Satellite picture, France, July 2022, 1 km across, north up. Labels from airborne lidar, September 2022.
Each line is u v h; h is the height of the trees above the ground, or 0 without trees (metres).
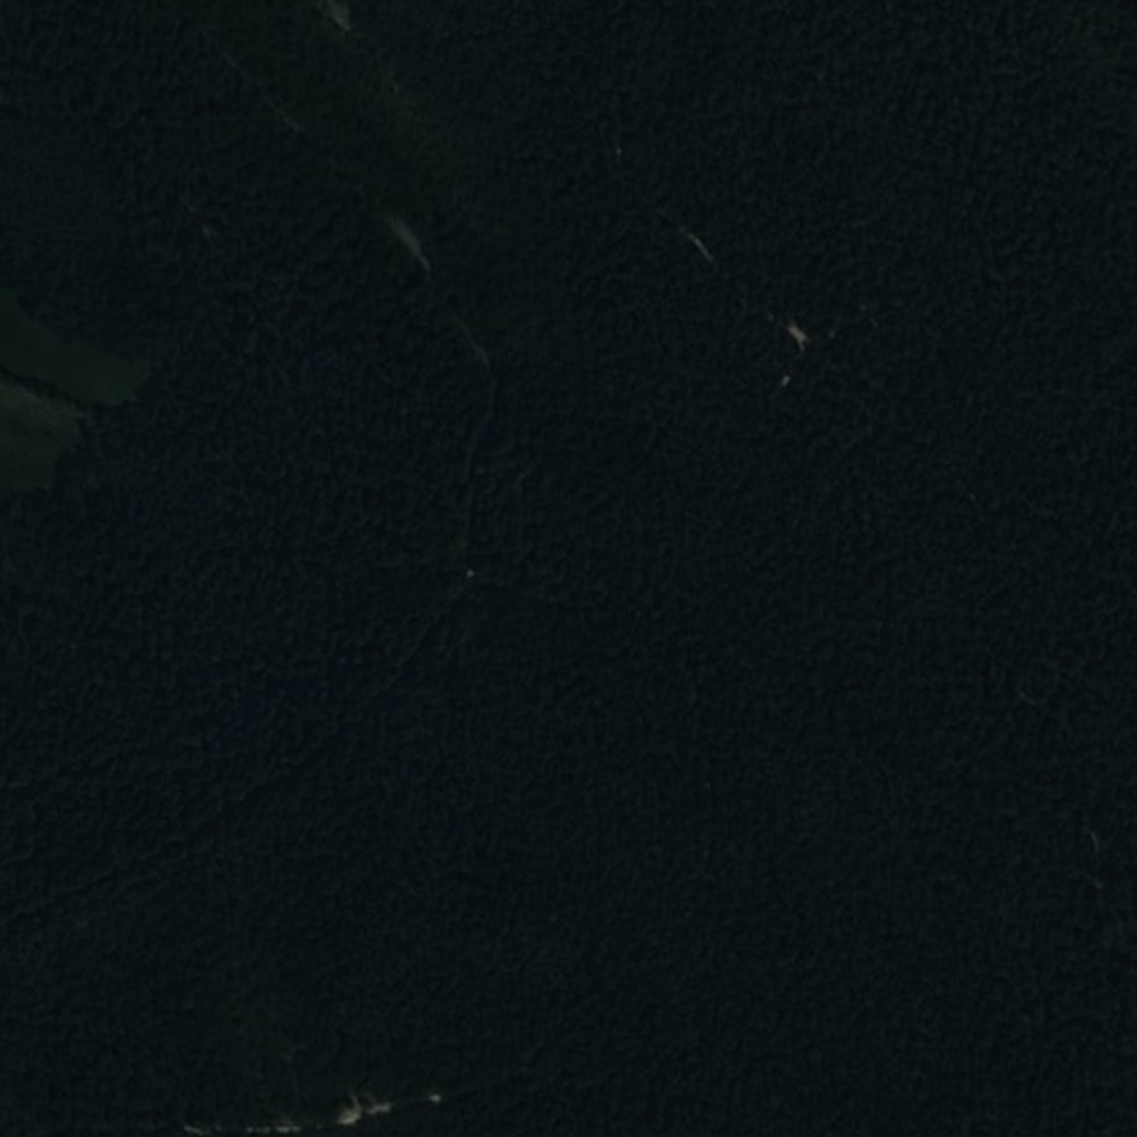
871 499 29
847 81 17
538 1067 19
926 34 24
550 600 23
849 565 22
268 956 18
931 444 22
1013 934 20
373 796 23
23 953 6
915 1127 26
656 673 27
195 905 17
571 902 24
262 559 35
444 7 18
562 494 17
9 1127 14
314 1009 16
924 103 22
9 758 25
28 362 0
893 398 18
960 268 18
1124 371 19
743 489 22
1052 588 21
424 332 12
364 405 29
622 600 21
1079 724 23
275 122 22
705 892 23
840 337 11
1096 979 22
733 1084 24
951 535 29
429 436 29
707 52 19
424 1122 14
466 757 28
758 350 24
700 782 24
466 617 22
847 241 19
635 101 25
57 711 29
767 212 20
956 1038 24
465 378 25
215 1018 14
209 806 27
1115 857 27
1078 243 22
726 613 14
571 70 27
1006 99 23
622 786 22
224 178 24
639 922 28
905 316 22
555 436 20
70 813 31
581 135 26
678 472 19
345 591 33
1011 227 21
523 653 20
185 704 29
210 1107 19
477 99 16
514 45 16
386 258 27
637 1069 26
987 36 27
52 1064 25
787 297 24
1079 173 12
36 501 22
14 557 24
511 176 16
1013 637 24
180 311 18
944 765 23
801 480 22
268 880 15
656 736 19
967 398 17
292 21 21
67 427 0
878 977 22
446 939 22
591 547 24
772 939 14
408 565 30
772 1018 17
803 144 11
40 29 22
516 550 27
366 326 25
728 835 31
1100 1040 22
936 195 20
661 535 22
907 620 12
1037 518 22
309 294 28
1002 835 19
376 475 19
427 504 29
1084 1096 22
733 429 27
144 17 25
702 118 21
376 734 25
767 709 22
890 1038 25
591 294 19
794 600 16
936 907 14
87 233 23
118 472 30
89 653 33
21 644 29
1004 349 15
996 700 22
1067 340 22
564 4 16
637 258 23
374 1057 24
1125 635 20
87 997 22
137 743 24
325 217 21
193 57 23
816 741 18
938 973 17
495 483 22
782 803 18
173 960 22
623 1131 22
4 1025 21
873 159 20
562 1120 23
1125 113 15
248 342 30
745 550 24
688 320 22
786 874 19
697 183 19
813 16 22
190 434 26
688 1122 20
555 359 21
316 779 27
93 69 23
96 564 21
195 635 33
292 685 10
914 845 11
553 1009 18
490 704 17
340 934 26
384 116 19
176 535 31
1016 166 25
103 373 0
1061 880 20
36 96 16
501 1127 18
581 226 22
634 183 21
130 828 24
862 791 15
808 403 24
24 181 23
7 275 17
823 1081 19
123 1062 20
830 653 19
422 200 15
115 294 27
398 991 24
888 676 23
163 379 21
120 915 12
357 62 17
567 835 30
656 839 27
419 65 14
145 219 24
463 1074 15
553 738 17
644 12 30
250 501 29
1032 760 22
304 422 29
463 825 30
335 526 22
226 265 7
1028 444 15
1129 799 21
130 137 26
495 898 26
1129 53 29
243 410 24
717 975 13
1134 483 19
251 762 36
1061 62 19
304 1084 13
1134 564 5
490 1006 22
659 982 16
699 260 22
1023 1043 17
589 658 20
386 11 18
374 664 26
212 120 24
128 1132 23
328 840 23
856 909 12
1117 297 19
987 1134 22
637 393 26
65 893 10
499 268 24
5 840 35
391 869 21
